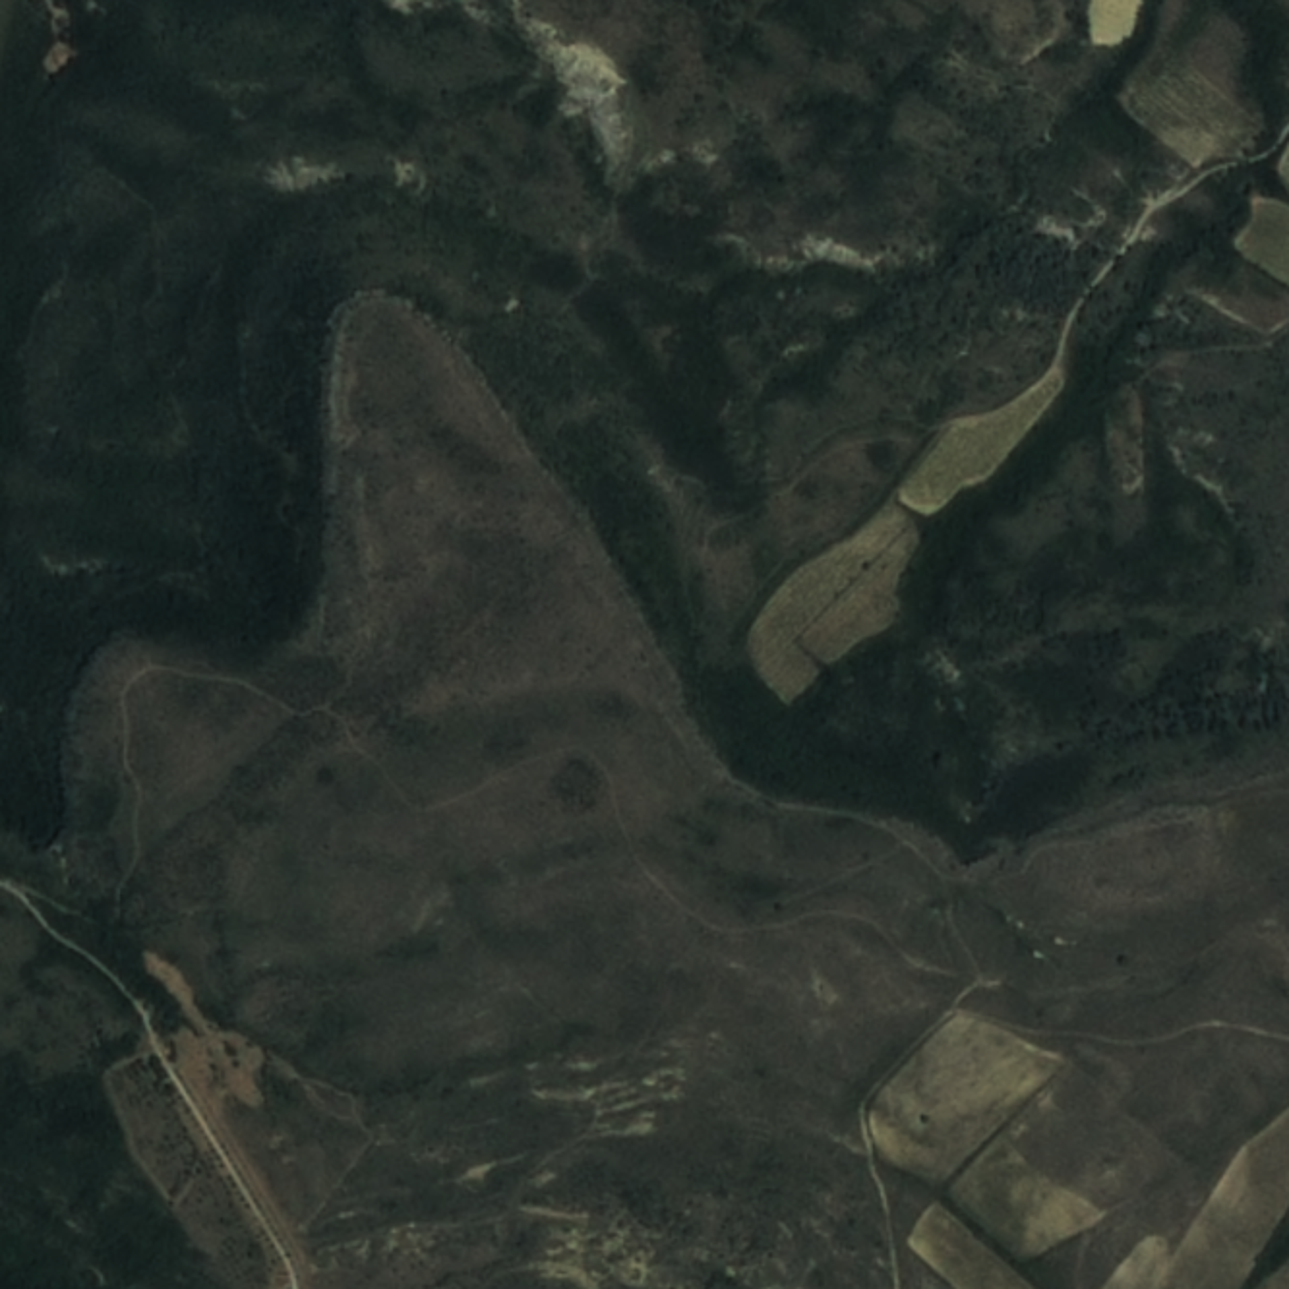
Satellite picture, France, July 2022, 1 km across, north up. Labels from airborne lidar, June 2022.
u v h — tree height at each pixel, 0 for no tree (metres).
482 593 0
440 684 0
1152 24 10
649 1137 0
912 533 0
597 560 0
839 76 0
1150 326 9
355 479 0
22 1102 5
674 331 7
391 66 0
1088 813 0
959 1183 0
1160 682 7
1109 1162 0
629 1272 0
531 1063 0
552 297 0
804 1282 0
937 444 0
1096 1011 0
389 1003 0
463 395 0
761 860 0
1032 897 0
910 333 7
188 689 0
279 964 0
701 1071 0
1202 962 0
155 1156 0
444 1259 0
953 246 6
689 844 0
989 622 8
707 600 0
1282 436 0
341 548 0
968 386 0
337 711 0
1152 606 0
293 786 0
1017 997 0
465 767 0
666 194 0
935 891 0
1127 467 0
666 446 6
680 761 0
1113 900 0
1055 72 0
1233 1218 0
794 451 0
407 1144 0
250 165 0
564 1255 0
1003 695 0
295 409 11
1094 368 8
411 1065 0
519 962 0
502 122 0
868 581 0
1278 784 0
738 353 0
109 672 0
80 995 0
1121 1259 0
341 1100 0
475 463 0
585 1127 0
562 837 0
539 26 0
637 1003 0
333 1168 0
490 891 0
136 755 0
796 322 5
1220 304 0
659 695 0
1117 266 10
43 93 7
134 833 0
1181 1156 0
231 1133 0
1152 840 0
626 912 0
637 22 0
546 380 6
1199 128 0
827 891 0
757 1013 0
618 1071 0
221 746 0
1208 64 0
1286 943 0
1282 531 0
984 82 0
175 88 6
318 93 0
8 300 6
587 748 0
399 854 0
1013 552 0
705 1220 0
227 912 0
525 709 0
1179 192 0
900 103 0
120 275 0
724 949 0
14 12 0
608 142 0
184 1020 11
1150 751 0
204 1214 0
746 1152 0
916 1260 0
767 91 0
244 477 7
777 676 0
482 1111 0
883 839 0
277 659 0
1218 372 0
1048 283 11
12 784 8
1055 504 0
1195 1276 0
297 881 0
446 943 0
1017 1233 0
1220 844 0
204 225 0
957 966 0
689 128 0
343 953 0
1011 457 7
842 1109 0
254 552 6
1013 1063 0
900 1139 0
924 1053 0
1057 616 0
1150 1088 0
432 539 0
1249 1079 0
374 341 0
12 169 5
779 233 0
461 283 0
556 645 0
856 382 0
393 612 0
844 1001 0
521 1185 0
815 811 0
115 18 10
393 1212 0
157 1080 7
